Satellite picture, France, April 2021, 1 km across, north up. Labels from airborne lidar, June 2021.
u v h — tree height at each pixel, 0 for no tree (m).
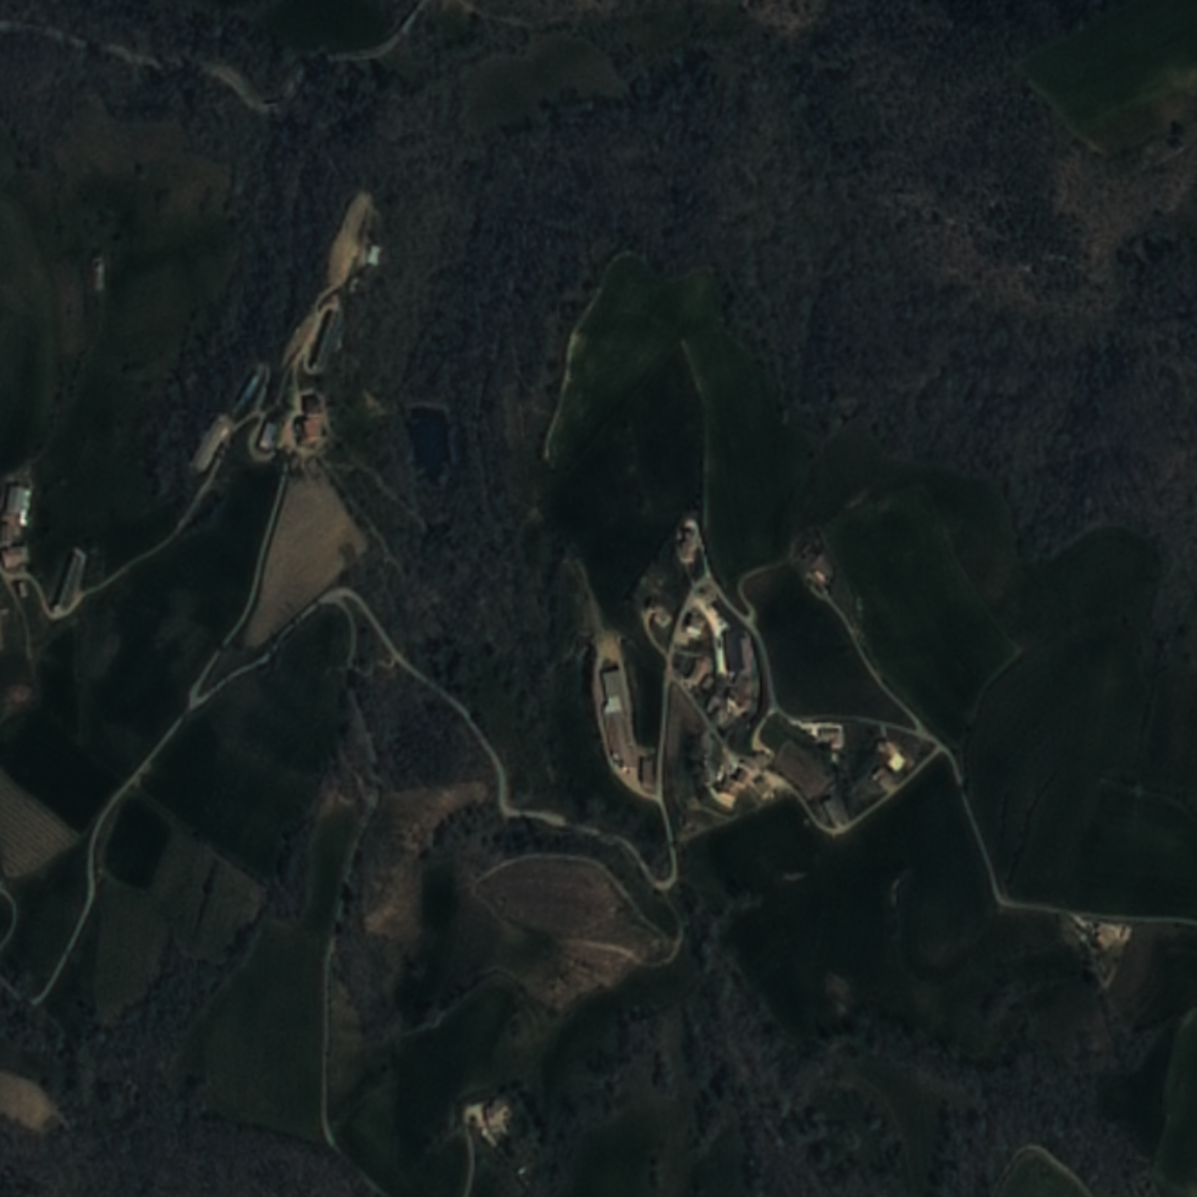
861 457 0
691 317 0
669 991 0
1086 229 9
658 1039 16
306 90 19
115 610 0
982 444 12
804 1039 0
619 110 7
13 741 0
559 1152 8
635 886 0
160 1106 16
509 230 14
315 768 0
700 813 0
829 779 6
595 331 0
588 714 0
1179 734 0
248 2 11
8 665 0
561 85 0
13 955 0
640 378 0
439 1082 0
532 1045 0
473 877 0
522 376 12
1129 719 0
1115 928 0
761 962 0
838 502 0
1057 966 0
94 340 0
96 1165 16
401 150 11
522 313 13
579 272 14
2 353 0
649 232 18
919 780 0
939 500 0
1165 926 0
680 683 0
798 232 12
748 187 8
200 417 16
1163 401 11
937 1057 20
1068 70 0
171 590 0
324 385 11
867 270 8
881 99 10
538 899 0
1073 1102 22
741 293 11
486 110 0
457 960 0
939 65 14
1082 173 7
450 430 9
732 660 0
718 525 0
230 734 0
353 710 12
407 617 14
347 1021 0
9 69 17
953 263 10
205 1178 12
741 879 0
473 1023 0
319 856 0
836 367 12
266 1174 16
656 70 14
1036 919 0
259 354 10
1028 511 10
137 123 15
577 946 0
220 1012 0
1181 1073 0
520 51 18
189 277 0
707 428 0
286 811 0
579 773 0
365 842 12
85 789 0
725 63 9
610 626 0
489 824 18
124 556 0
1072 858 0
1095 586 0
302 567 0
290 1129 0
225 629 0
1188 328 13
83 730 0
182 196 0
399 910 0
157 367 0
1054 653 0
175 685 0
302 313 7
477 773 11
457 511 19
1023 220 11
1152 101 0
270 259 17
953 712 0
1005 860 0
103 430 0
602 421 0
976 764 0
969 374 21
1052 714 0
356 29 0
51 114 13
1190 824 0
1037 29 17
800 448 0
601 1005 0
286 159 17
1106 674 0
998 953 0
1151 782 0
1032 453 10
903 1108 0
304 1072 0
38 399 0
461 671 13
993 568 0
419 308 8
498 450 9
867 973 0
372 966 17
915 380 17
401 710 10
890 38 10
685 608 0
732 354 0
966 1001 0
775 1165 13
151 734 0
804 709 0
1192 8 0
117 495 0
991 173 12
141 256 0
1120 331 18
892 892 0
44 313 0
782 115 19
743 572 0
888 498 0
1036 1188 0
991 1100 14
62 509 0
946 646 0
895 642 0
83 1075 30
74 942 0
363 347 14
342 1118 0
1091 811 0
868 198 12
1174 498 12
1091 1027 0
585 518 0
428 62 13
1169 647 10
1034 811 0
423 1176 0
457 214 7
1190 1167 0
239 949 8
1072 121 0
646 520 0
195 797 0
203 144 9
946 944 0
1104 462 9
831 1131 8
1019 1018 14
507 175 11
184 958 8
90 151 0
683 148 12
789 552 0
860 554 0
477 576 16
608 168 17
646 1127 0
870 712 0
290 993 0
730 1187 0
